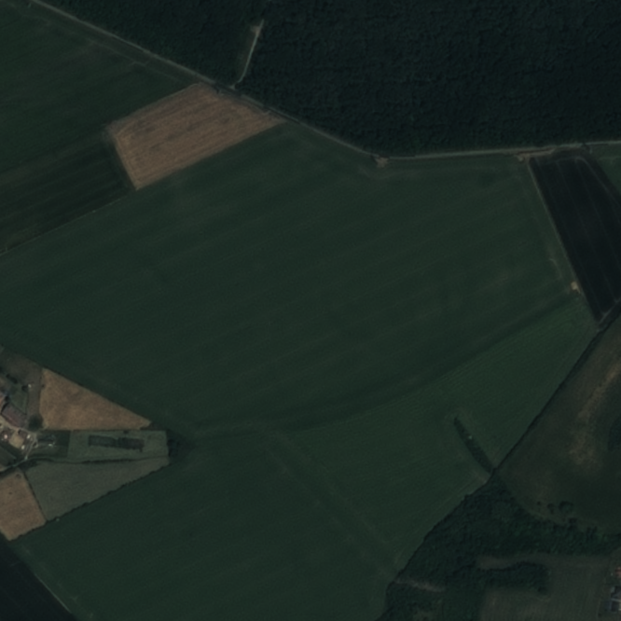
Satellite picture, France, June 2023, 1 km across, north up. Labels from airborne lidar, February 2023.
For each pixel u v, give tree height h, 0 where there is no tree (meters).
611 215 0
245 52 0
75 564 0
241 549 0
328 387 0
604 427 0
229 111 0
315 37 20
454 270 0
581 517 0
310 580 0
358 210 0
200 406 0
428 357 0
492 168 0
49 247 0
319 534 0
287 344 0
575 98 23
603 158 0
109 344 0
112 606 0
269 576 0
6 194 0
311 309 0
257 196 0
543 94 22
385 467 0
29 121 0
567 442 0
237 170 0
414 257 0
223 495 0
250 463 0
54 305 0
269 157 0
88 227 0
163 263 0
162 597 0
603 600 0
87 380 0
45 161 0
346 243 0
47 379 0
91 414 0
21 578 0
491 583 14
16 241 0
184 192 0
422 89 21
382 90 21
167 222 0
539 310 0
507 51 17
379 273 0
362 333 0
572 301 0
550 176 0
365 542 0
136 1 21
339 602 0
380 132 19
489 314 0
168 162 0
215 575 0
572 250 0
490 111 18
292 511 0
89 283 0
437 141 17
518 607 0
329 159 0
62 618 0
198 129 0
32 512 0
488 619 0
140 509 0
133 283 0
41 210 0
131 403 0
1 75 0
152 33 20
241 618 0
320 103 18
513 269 0
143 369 0
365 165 0
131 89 0
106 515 0
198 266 0
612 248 0
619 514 0
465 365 0
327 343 0
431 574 8
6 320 0
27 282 0
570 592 0
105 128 0
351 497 0
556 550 13
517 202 0
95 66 0
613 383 0
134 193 0
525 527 7
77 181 0
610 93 24
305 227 0
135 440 0
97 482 0
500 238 0
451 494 0
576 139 14
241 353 0
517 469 0
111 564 0
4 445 0
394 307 0
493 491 6
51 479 0
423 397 0
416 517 0
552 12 22
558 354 0
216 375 0
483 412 0
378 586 0
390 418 0
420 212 0
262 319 0
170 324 0
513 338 0
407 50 17
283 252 0
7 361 0
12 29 0
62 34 0
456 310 0
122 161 0
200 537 0
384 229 0
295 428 0
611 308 0
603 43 24
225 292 0
